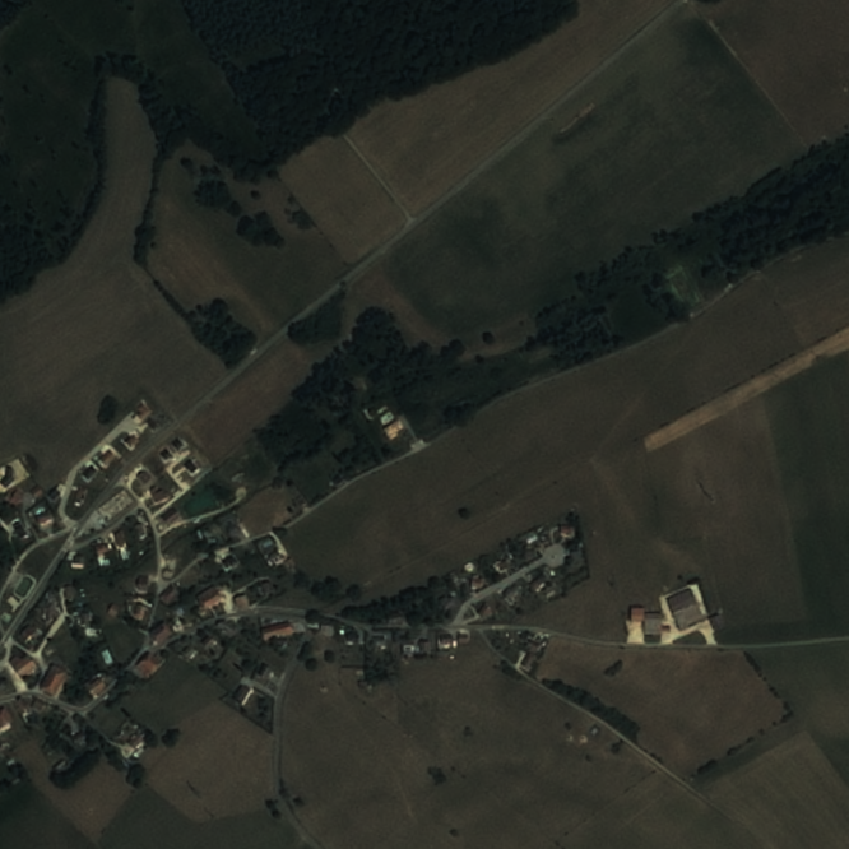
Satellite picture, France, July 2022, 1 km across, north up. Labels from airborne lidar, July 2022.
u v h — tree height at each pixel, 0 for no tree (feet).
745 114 0
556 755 0
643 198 0
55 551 0
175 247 0
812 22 0
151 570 0
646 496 0
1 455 0
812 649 0
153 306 0
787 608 0
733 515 0
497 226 0
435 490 0
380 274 0
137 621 34
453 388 0
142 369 0
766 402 0
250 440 0
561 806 0
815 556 0
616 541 0
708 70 0
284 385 0
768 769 0
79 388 0
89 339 0
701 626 0
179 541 0
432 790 0
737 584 0
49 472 0
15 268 68
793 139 0
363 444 53
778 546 0
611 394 0
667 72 0
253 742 0
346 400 112
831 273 0
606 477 0
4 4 84
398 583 0
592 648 0
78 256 0
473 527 0
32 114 0
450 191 0
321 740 0
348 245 0
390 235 0
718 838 0
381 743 0
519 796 0
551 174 0
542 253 0
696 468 0
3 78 0
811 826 0
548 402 0
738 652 0
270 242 44
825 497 0
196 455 0
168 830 0
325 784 0
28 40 0
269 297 0
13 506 18
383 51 78
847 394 0
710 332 0
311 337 29
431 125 0
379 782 0
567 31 0
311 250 0
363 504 0
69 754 38
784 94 0
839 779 0
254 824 0
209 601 0
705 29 0
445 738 0
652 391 0
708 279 30
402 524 0
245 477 0
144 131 0
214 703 0
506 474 0
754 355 0
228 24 85
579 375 0
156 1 0
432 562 0
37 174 0
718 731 0
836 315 0
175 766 0
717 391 0
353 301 0
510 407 0
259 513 0
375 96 56
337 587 50
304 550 0
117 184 0
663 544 0
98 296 0
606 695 0
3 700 0
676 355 0
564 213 0
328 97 45
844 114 0
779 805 0
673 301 92
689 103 0
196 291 0
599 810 0
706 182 0
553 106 0
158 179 22
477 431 0
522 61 0
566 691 47
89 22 0
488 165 0
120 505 0
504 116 0
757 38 0
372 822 0
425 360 57
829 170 19
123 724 0
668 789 0
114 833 0
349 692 0
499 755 0
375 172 0
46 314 0
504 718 0
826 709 0
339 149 0
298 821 0
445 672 0
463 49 88
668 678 0
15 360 0
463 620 0
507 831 0
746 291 0
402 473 0
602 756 0
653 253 23
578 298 24
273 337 0
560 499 0
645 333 0
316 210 0
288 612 0
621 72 0
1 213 70
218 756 0
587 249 0
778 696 20
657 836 0
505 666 25
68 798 0
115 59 72
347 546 0
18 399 0
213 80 0
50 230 0
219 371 0
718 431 0
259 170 62
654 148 0
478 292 0
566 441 0
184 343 0
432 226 0
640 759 0
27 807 0
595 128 0
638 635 0
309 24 73
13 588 0
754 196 21
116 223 0
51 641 30
